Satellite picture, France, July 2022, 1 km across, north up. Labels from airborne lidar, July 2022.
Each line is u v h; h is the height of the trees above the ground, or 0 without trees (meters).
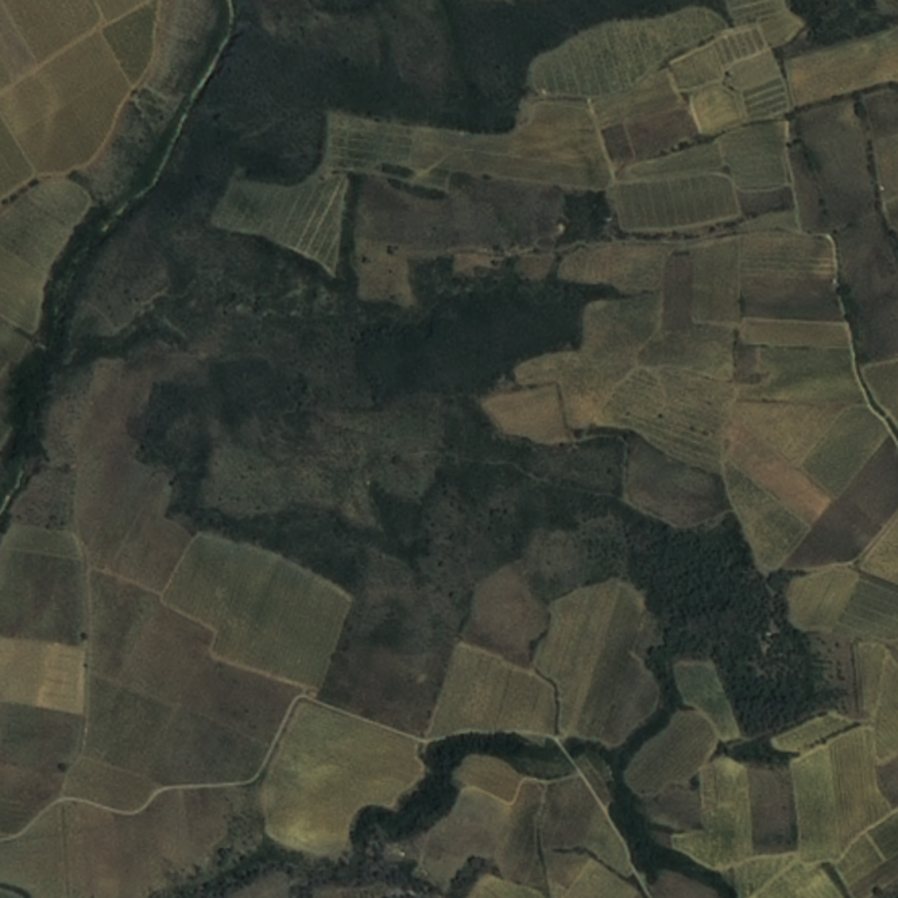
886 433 0
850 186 0
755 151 0
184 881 0
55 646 0
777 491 0
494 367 0
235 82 0
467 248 0
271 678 0
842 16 0
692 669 0
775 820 0
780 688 13
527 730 0
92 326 0
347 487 0
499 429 0
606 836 0
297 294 0
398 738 0
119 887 0
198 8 0
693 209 0
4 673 0
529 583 0
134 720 0
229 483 0
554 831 0
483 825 0
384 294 0
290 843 0
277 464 0
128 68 0
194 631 0
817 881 0
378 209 0
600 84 0
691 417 0
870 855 0
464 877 7
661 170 0
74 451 0
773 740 0
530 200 0
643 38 0
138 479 0
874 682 0
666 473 0
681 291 0
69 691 0
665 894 0
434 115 0
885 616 0
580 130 0
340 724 0
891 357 0
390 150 0
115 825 0
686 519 0
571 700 0
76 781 0
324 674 0
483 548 0
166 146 6
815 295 0
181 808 0
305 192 0
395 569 0
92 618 0
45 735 0
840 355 0
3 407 0
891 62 0
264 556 0
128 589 0
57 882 0
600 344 0
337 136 0
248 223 0
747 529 0
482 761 0
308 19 0
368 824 14
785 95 0
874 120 0
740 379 0
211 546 0
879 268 0
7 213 0
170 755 0
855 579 0
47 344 7
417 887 10
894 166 0
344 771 0
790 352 0
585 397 0
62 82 0
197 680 0
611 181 0
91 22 0
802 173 0
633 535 7
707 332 0
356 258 0
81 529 0
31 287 0
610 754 6
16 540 0
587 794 0
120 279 0
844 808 0
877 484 0
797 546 0
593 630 0
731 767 0
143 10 0
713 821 0
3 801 0
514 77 0
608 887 0
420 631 0
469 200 0
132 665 0
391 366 0
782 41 0
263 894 0
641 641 0
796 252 0
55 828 0
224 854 10
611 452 0
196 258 0
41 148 0
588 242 0
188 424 0
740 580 9
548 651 0
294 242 0
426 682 0
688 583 8
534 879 0
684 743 0
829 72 0
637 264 0
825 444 0
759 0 0
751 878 0
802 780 0
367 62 0
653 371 0
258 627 0
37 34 0
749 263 0
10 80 0
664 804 0
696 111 0
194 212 0
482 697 0
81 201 0
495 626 0
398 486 0
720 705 0
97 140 0
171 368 0
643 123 0
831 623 0
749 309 0
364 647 0
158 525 0
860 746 0
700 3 0
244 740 0
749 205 0
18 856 0
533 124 0
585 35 0
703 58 0
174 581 0
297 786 0
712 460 0
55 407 0
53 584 0
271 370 0
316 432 0
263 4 0
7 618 0
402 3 0
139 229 0
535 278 0
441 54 0
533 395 0
